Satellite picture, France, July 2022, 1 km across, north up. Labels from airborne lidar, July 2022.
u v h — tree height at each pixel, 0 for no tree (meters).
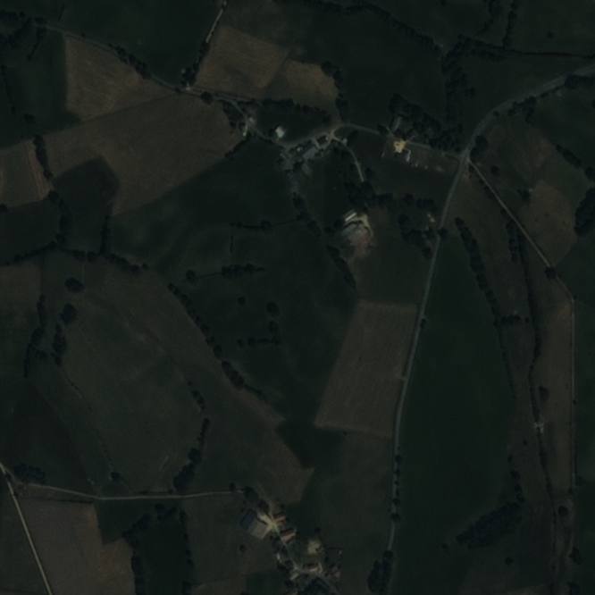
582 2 0
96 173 0
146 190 0
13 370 0
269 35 0
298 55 0
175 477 0
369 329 0
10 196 0
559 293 0
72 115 0
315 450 0
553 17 0
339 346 0
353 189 19
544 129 0
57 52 0
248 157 0
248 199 0
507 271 0
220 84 0
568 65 0
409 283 0
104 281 0
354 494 0
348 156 15
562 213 0
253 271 19
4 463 0
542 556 0
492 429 0
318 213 0
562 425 0
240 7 0
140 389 0
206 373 0
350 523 0
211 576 0
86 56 0
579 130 0
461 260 0
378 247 0
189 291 0
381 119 0
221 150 0
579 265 0
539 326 6
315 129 0
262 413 0
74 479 0
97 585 0
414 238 22
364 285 0
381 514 0
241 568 0
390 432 0
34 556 0
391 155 0
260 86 0
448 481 0
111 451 0
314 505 0
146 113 0
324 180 0
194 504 0
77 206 0
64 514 0
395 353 0
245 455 0
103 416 0
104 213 0
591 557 0
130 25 0
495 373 0
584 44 0
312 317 0
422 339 0
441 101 0
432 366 0
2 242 0
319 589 14
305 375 0
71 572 0
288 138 0
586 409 0
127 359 0
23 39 16
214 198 0
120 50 14
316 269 0
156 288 0
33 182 0
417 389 0
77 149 0
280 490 0
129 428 0
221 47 0
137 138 0
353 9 14
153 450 0
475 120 0
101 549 0
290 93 0
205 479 0
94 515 0
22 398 0
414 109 23
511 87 0
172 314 0
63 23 0
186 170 0
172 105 0
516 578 0
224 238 0
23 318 0
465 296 0
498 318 10
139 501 0
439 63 0
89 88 0
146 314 0
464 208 0
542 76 0
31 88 0
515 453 0
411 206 9
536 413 8
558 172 0
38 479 14
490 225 0
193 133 0
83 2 0
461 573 0
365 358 0
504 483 0
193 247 0
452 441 0
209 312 0
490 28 11
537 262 0
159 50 0
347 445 0
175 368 0
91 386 0
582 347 0
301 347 0
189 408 0
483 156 0
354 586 0
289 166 0
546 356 0
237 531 0
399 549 0
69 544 0
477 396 0
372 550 0
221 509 0
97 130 0
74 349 0
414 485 0
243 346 14
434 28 0
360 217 0
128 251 0
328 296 0
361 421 0
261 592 0
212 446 0
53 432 0
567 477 0
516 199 0
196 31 0
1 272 0
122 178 0
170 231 0
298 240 0
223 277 10
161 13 0
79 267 0
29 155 0
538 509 0
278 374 0
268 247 0
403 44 0
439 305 0
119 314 0
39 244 0
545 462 9
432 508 0
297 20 0
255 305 0
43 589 0
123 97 0
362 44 0
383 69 0
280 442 0
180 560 0
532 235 0
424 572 0
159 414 0
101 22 0
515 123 0
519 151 0
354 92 0
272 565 0
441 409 0
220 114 0
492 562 0
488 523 25
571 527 0
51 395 0
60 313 0
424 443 0
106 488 0
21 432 0
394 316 0
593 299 0
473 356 0
